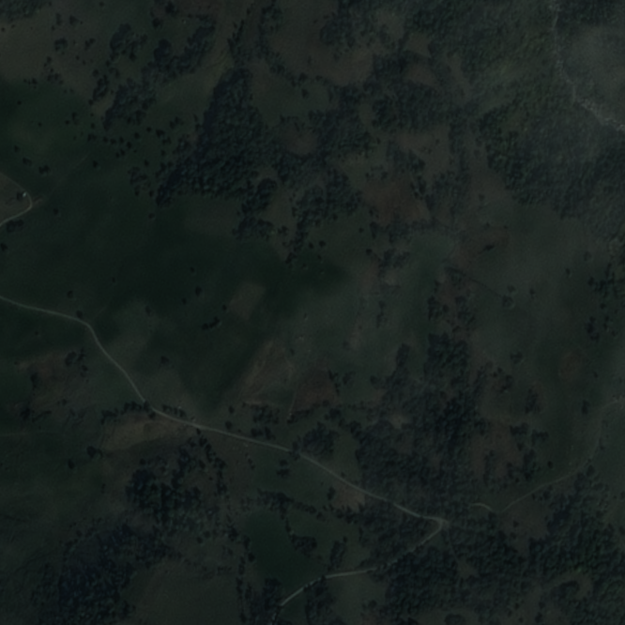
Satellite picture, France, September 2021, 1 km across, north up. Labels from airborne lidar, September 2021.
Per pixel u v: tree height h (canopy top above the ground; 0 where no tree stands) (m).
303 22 0
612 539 16
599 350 0
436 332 0
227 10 0
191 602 0
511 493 0
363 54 0
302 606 0
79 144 0
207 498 0
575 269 0
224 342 0
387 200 0
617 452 0
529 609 0
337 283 0
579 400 0
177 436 0
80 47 0
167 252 0
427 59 0
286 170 10
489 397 0
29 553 0
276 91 0
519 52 7
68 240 0
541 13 7
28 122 0
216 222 0
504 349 0
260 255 0
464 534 9
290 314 0
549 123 9
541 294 0
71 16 0
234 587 0
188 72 9
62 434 0
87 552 0
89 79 0
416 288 0
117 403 0
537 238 0
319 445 12
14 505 0
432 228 7
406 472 9
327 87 9
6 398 0
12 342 0
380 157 0
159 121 0
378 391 0
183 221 0
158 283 0
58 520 0
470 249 0
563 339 0
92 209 0
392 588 6
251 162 8
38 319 0
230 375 0
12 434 0
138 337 0
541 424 0
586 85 7
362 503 0
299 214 7
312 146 0
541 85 7
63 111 0
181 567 0
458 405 8
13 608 0
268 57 14
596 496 7
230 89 11
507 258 0
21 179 0
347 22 17
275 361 0
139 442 0
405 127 8
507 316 0
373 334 0
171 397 0
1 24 0
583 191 10
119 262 0
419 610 10
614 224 6
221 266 0
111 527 0
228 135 16
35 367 0
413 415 7
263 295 0
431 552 8
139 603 0
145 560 6
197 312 0
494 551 8
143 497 11
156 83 8
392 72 13
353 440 0
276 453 0
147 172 0
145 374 0
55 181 0
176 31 0
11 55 0
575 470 0
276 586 9
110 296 0
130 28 6
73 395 0
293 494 0
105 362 0
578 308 0
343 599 0
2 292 0
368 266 0
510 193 8
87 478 0
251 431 0
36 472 0
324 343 0
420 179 10
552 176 9
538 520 0
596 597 7
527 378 0
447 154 0
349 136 12
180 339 0
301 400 0
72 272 0
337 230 0
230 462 0
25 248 0
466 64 10
